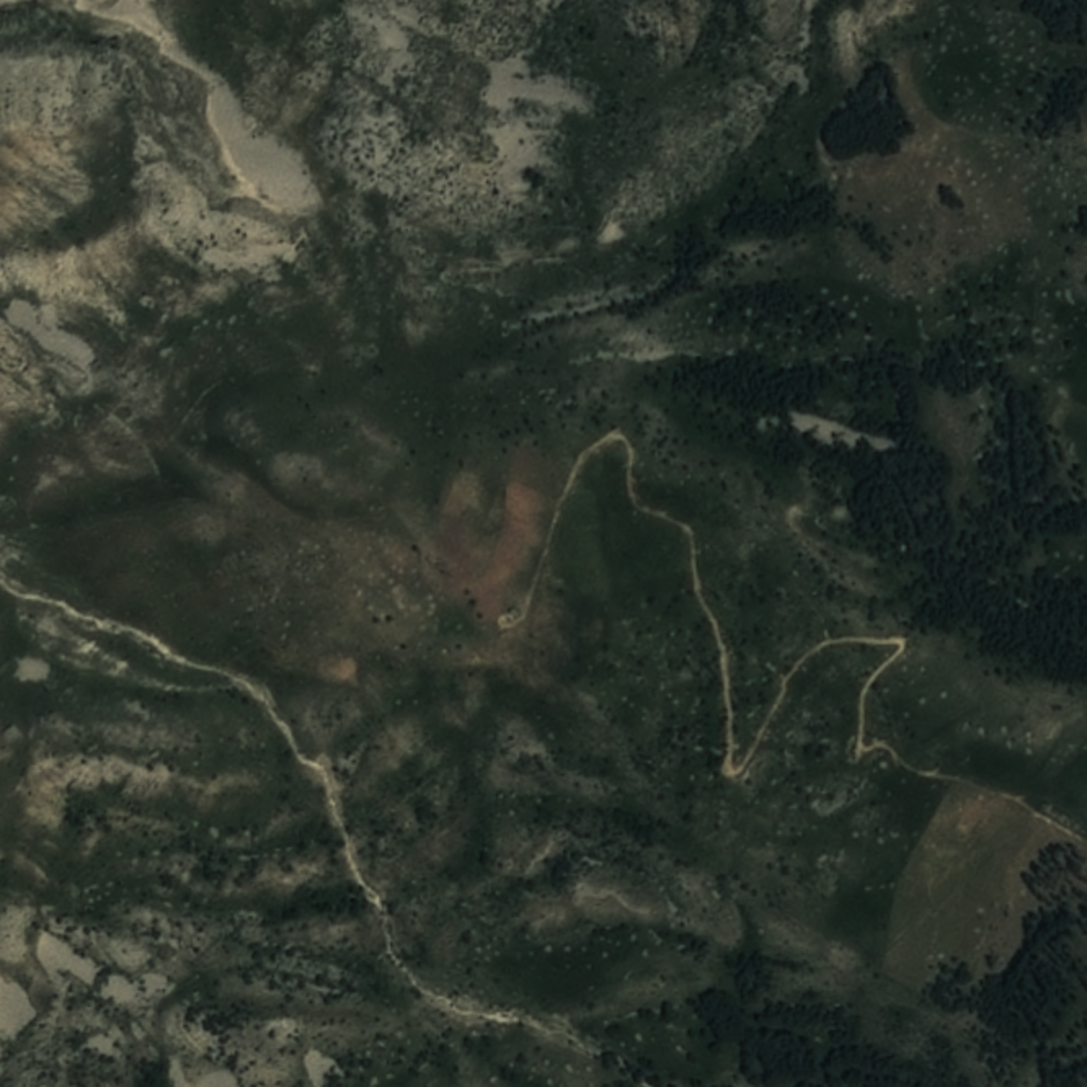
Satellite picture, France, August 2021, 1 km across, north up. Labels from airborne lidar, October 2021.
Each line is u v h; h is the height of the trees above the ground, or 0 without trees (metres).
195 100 0
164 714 0
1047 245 0
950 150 0
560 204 0
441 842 0
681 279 11
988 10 0
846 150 21
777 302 11
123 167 0
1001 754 0
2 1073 0
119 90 0
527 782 0
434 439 0
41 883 0
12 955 0
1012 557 12
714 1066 0
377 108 0
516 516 0
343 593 0
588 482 0
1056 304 0
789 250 0
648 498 0
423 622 0
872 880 0
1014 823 0
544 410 0
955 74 0
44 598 0
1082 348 0
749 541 0
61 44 0
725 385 10
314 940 0
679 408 0
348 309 0
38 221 0
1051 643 8
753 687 0
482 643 0
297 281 0
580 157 0
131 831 0
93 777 0
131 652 0
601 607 0
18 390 0
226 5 0
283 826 0
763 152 0
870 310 0
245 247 0
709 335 0
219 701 0
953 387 11
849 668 0
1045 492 12
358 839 0
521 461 0
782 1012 15
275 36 0
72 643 0
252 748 0
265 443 0
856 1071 14
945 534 17
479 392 0
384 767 0
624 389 0
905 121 8
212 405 0
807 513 0
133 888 0
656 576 0
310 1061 0
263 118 0
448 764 0
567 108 0
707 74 0
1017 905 0
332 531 0
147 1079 8
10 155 0
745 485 0
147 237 0
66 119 0
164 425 0
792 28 0
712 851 0
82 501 0
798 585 0
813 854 0
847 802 0
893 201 0
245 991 0
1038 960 30
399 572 0
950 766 0
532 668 0
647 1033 0
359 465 0
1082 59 0
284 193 0
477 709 0
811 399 8
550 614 0
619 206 0
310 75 0
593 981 0
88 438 0
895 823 0
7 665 0
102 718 0
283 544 0
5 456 0
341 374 0
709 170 0
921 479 22
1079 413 0
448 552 0
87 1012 0
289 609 0
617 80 0
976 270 0
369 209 0
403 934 0
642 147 0
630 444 0
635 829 6
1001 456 12
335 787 0
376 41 0
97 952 0
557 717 0
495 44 0
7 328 0
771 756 0
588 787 0
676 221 0
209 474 0
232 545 0
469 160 0
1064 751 0
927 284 0
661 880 0
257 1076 0
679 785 0
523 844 0
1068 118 8
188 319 0
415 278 0
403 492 0
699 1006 14
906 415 20
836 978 0
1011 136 0
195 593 0
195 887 0
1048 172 0
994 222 0
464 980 0
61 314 0
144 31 0
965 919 0
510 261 0
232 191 0
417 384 0
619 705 0
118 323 0
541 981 0
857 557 0
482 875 0
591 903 0
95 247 0
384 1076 0
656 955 0
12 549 0
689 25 0
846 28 0
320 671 0
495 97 0
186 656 0
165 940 0
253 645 0
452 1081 0
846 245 0
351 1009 0
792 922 0
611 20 0
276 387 0
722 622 0
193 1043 0
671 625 0
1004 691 0
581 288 0
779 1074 21
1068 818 0
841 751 0
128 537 0
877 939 0
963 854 0
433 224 0
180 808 0
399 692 0
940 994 7
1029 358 0
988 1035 8
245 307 0
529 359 0
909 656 0
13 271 0
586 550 0
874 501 15
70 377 0
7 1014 0
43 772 0
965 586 16
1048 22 14
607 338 0
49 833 0
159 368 0
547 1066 0
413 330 0
